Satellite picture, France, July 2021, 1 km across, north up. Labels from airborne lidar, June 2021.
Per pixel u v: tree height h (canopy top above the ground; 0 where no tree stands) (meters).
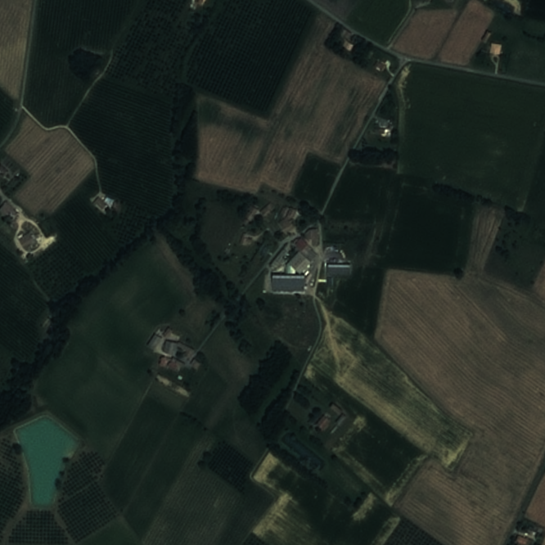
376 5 0
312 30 0
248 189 0
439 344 0
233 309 26
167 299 0
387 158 21
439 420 0
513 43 0
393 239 0
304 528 0
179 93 13
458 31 0
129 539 0
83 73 14
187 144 16
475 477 0
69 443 0
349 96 0
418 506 0
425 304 0
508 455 0
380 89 0
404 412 0
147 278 0
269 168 0
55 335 22
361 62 9
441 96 0
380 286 0
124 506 0
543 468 0
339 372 0
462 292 0
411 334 0
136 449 0
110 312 0
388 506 0
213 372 0
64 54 0
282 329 0
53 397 0
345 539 0
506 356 0
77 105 0
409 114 0
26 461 0
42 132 0
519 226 9
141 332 0
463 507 0
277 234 7
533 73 0
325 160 0
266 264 0
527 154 0
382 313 0
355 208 0
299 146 0
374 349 0
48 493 0
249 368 0
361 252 0
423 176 0
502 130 0
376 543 0
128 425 0
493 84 0
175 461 0
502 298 0
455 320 0
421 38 0
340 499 0
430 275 0
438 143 0
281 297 0
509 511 0
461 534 0
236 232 0
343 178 0
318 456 0
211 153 0
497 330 0
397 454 0
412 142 0
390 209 0
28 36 0
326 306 0
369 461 0
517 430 0
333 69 0
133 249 14
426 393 0
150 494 0
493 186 0
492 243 0
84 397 0
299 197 0
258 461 0
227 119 0
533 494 0
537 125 0
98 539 0
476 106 0
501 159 0
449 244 0
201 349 0
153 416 0
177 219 18
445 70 0
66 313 21
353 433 0
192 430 0
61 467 0
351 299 0
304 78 0
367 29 0
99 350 0
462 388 0
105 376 0
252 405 19
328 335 0
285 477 0
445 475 0
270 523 0
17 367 16
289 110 0
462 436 0
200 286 21
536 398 0
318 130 0
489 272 0
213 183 0
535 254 0
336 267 0
